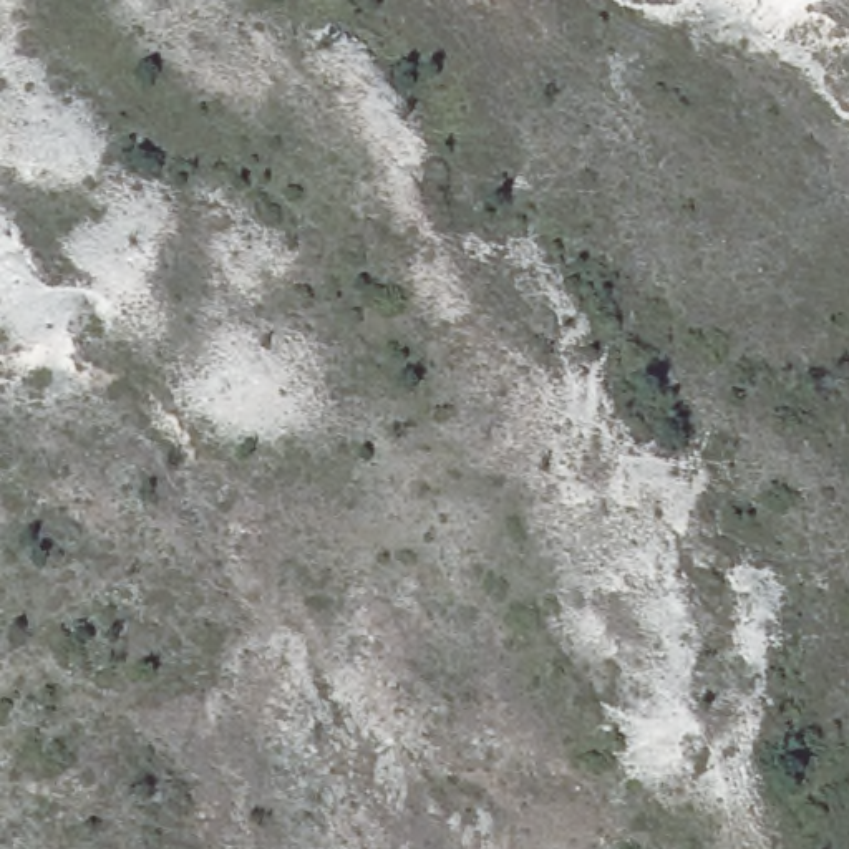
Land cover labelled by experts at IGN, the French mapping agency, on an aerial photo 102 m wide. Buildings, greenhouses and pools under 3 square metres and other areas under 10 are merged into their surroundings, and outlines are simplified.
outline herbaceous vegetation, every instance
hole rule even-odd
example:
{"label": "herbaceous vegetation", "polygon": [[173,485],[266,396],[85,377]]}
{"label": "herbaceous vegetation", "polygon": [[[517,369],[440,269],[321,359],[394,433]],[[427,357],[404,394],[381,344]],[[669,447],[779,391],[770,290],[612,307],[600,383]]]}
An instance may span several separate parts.
{"label": "herbaceous vegetation", "polygon": [[202,849],[196,842],[192,783],[172,766],[172,753],[159,753],[156,746],[143,743],[139,733],[129,726],[129,710],[139,710],[139,686],[129,680],[103,686],[80,673],[76,660],[63,667],[43,643],[0,643],[0,753],[7,750],[13,756],[10,779],[36,779],[36,809],[23,809],[13,822],[0,829],[0,849]]}
{"label": "herbaceous vegetation", "polygon": [[206,438],[202,444],[196,444],[199,458],[226,461],[232,478],[242,478],[255,488],[265,511],[262,524],[275,524],[295,504],[338,514],[342,507],[355,511],[361,504],[365,481],[352,478],[352,468],[361,461],[361,441],[338,441],[325,454],[308,454],[292,434],[285,434],[275,441]]}
{"label": "herbaceous vegetation", "polygon": [[46,285],[70,285],[76,279],[80,269],[63,252],[63,242],[83,222],[103,222],[106,209],[83,199],[73,186],[40,189],[23,179],[0,196],[0,206],[20,226],[20,242],[30,249]]}
{"label": "herbaceous vegetation", "polygon": [[826,70],[829,90],[839,96],[839,109],[849,109],[849,50],[826,46],[813,53],[813,60]]}
{"label": "herbaceous vegetation", "polygon": [[819,0],[822,13],[836,23],[836,36],[849,36],[849,0]]}
{"label": "herbaceous vegetation", "polygon": [[481,235],[484,242],[507,242],[524,235],[534,239],[544,249],[547,265],[560,269],[564,292],[587,315],[590,332],[584,342],[600,361],[607,361],[600,388],[614,401],[614,415],[630,425],[630,438],[637,444],[650,441],[657,448],[657,458],[680,458],[690,448],[690,434],[673,428],[673,395],[663,395],[657,381],[647,375],[650,361],[670,365],[670,381],[680,385],[683,405],[690,405],[693,431],[703,421],[716,428],[703,454],[706,488],[696,497],[693,514],[703,524],[723,524],[723,534],[713,537],[716,554],[726,554],[736,567],[769,567],[783,584],[783,600],[776,614],[779,647],[766,650],[766,693],[773,696],[773,706],[763,710],[763,723],[753,743],[753,769],[763,803],[779,816],[779,832],[793,836],[786,849],[849,849],[849,123],[826,106],[826,99],[813,90],[809,76],[803,76],[799,66],[779,60],[779,53],[753,53],[750,40],[713,40],[693,46],[690,23],[660,23],[643,17],[640,10],[627,10],[617,3],[610,7],[610,20],[600,20],[600,10],[610,0],[242,0],[242,13],[269,10],[275,20],[298,20],[302,30],[332,27],[342,36],[361,43],[371,66],[381,70],[385,83],[398,93],[401,119],[411,109],[418,109],[418,99],[428,99],[431,93],[468,93],[474,113],[491,133],[461,136],[454,139],[454,149],[425,149],[421,179],[415,182],[421,209],[428,212],[431,226],[444,235],[448,262],[458,272],[468,298],[481,305],[484,315],[491,315],[491,328],[501,338],[534,355],[547,371],[557,368],[557,312],[547,298],[521,298],[521,292],[514,289],[517,272],[534,275],[534,269],[514,265],[511,259],[494,252],[488,259],[478,259],[464,249],[468,232]]}
{"label": "herbaceous vegetation", "polygon": [[106,365],[113,378],[113,385],[106,385],[106,398],[113,401],[119,418],[136,428],[153,425],[149,388],[166,381],[166,365],[176,361],[179,345],[199,335],[196,318],[202,312],[202,302],[209,298],[212,239],[232,229],[229,216],[212,219],[212,202],[196,199],[192,186],[226,189],[229,199],[245,202],[255,212],[255,222],[282,232],[292,262],[302,255],[308,265],[325,269],[325,282],[315,285],[315,302],[308,305],[308,312],[322,322],[322,332],[315,335],[315,352],[325,365],[325,391],[332,401],[338,395],[361,395],[368,401],[401,398],[408,405],[408,418],[418,428],[431,421],[451,421],[458,408],[451,401],[441,405],[431,385],[425,378],[415,378],[411,368],[405,368],[405,358],[388,348],[388,338],[398,338],[395,315],[405,315],[415,295],[411,265],[418,229],[408,226],[395,232],[395,226],[388,226],[385,219],[355,216],[355,166],[345,156],[315,146],[308,139],[308,129],[295,126],[295,109],[282,99],[272,99],[265,93],[265,103],[259,109],[235,113],[232,106],[226,106],[219,93],[202,90],[192,73],[182,73],[172,63],[166,63],[156,83],[143,83],[136,76],[136,63],[143,60],[136,43],[143,40],[146,27],[119,27],[106,0],[20,0],[20,7],[13,10],[20,23],[17,53],[43,63],[53,96],[76,93],[80,99],[86,99],[90,113],[106,126],[103,163],[119,163],[133,176],[163,182],[159,196],[176,216],[176,232],[159,239],[156,269],[149,272],[149,289],[156,302],[166,302],[166,335],[143,342],[116,342]]}
{"label": "herbaceous vegetation", "polygon": [[620,667],[607,660],[607,686],[594,690],[594,683],[587,680],[590,663],[560,647],[560,637],[547,627],[547,617],[560,614],[557,560],[541,557],[537,541],[531,541],[527,521],[521,514],[507,514],[507,521],[491,534],[484,560],[464,567],[464,577],[474,577],[497,600],[497,610],[507,623],[504,647],[514,650],[521,660],[514,673],[521,677],[521,683],[531,683],[531,690],[541,690],[541,696],[547,696],[557,726],[567,730],[564,753],[574,766],[574,803],[594,813],[594,832],[607,839],[610,849],[716,849],[723,809],[713,813],[710,803],[686,803],[670,809],[660,806],[653,799],[653,789],[633,779],[620,763],[627,750],[623,730],[600,733],[600,723],[607,716],[604,706],[614,706],[620,696]]}

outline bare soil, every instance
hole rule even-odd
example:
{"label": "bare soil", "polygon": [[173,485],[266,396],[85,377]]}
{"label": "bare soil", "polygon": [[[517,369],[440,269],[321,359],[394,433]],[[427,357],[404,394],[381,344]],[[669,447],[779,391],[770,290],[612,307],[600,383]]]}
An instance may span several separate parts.
{"label": "bare soil", "polygon": [[[166,365],[166,381],[149,388],[153,425],[136,428],[119,418],[113,401],[106,398],[106,385],[113,385],[113,378],[106,365],[116,342],[143,342],[166,335],[166,302],[156,302],[149,289],[149,272],[156,269],[159,239],[176,232],[176,216],[159,196],[163,182],[133,176],[119,163],[103,163],[106,126],[90,113],[86,99],[80,99],[76,93],[53,96],[43,63],[17,53],[20,23],[13,10],[20,7],[20,0],[0,0],[0,196],[23,179],[40,189],[73,186],[83,199],[106,209],[103,222],[83,222],[63,242],[63,252],[80,269],[76,279],[70,285],[46,285],[30,249],[20,242],[20,226],[0,206],[0,444],[13,441],[33,451],[56,451],[70,464],[70,478],[46,481],[36,504],[66,504],[70,517],[86,524],[93,541],[113,541],[116,567],[109,567],[103,577],[96,564],[73,560],[70,594],[83,607],[103,600],[143,617],[146,600],[139,594],[139,584],[126,577],[129,564],[169,560],[172,570],[189,574],[199,560],[226,560],[226,577],[232,580],[239,607],[252,617],[252,633],[222,650],[222,673],[206,700],[179,696],[166,700],[159,710],[139,710],[129,710],[129,726],[139,733],[143,743],[156,746],[159,753],[172,753],[172,766],[192,783],[196,842],[202,849],[610,849],[607,839],[594,832],[594,813],[574,803],[574,766],[564,753],[567,730],[557,726],[547,696],[541,696],[541,690],[531,690],[531,683],[521,683],[521,677],[514,673],[521,660],[514,650],[504,647],[507,623],[497,610],[497,600],[474,577],[464,577],[464,567],[484,560],[491,534],[507,521],[507,514],[521,514],[527,521],[531,541],[537,541],[541,557],[557,560],[560,614],[547,617],[547,627],[560,637],[560,647],[590,663],[587,680],[594,683],[594,690],[607,686],[607,660],[620,667],[620,696],[614,706],[604,706],[607,716],[600,723],[600,733],[623,730],[627,750],[620,763],[633,779],[653,789],[653,799],[660,806],[670,809],[686,803],[710,803],[713,813],[723,809],[716,849],[786,849],[793,836],[779,832],[779,816],[763,803],[753,769],[753,743],[763,723],[763,710],[773,706],[773,696],[766,693],[766,650],[779,647],[776,614],[783,600],[783,584],[769,567],[736,567],[726,554],[716,554],[713,537],[723,534],[723,524],[703,524],[693,514],[696,497],[706,488],[703,454],[716,428],[703,421],[693,431],[690,405],[683,405],[680,385],[670,381],[670,365],[650,361],[647,375],[657,381],[663,395],[673,395],[673,428],[690,434],[690,448],[680,458],[657,458],[657,448],[650,441],[637,444],[630,438],[630,425],[614,415],[614,401],[600,388],[607,361],[600,361],[584,342],[590,332],[587,315],[564,292],[560,269],[547,265],[544,249],[534,239],[524,235],[507,242],[484,242],[481,235],[468,232],[464,249],[478,259],[488,259],[494,252],[511,259],[514,265],[534,269],[534,275],[517,272],[514,289],[521,292],[521,298],[547,298],[557,312],[557,368],[547,371],[534,355],[501,338],[491,328],[491,315],[484,315],[481,305],[468,298],[458,272],[448,262],[444,235],[431,226],[428,212],[421,209],[415,182],[421,179],[425,149],[454,149],[454,139],[461,136],[491,133],[474,113],[468,93],[431,93],[428,99],[418,99],[418,109],[411,109],[401,119],[398,93],[385,83],[381,70],[371,66],[361,43],[342,36],[332,27],[302,30],[298,20],[275,20],[269,10],[242,13],[242,0],[106,0],[119,27],[146,27],[143,40],[136,43],[143,60],[136,63],[136,76],[143,83],[156,83],[166,63],[172,63],[182,73],[192,73],[202,90],[219,93],[226,106],[232,106],[235,113],[259,109],[265,103],[265,93],[272,99],[282,99],[295,109],[295,126],[308,129],[308,139],[315,146],[345,156],[355,166],[355,216],[385,219],[388,226],[395,226],[395,232],[408,226],[418,229],[411,265],[415,295],[405,315],[395,315],[398,338],[388,338],[388,348],[405,358],[405,368],[411,368],[415,378],[425,378],[431,385],[441,405],[451,401],[458,408],[451,421],[431,421],[418,428],[408,418],[408,405],[401,398],[368,401],[361,395],[338,395],[332,401],[325,391],[325,365],[315,352],[315,335],[322,332],[322,322],[308,312],[308,305],[315,302],[315,285],[325,282],[325,269],[308,265],[302,255],[292,262],[282,232],[255,222],[255,212],[245,202],[229,199],[226,189],[192,186],[196,199],[212,202],[212,219],[229,216],[232,229],[212,239],[209,298],[202,302],[202,312],[196,318],[199,335],[179,345],[176,361]],[[338,441],[361,441],[361,461],[352,468],[352,478],[365,481],[361,504],[355,511],[342,507],[338,514],[295,504],[275,524],[262,524],[265,511],[255,488],[242,478],[232,478],[226,461],[199,458],[196,444],[202,444],[206,438],[275,441],[285,434],[292,434],[308,454],[325,454]]]}
{"label": "bare soil", "polygon": [[690,23],[693,46],[713,40],[750,40],[753,53],[779,53],[779,60],[799,66],[803,76],[809,76],[813,90],[826,99],[826,106],[849,123],[849,109],[839,109],[839,96],[829,90],[826,70],[813,60],[813,53],[826,46],[849,50],[849,36],[836,36],[836,23],[822,13],[819,0],[610,0],[600,10],[600,20],[610,20],[610,7],[617,3],[627,10],[640,10],[643,17],[660,23]]}
{"label": "bare soil", "polygon": [[13,756],[7,750],[0,753],[0,829],[13,822],[23,809],[36,809],[36,779],[10,779]]}

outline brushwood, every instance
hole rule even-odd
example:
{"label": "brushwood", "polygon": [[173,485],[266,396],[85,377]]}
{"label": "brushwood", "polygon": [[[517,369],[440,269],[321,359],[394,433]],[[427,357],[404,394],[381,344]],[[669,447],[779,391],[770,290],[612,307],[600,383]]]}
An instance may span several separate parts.
{"label": "brushwood", "polygon": [[139,594],[146,600],[143,617],[103,600],[83,607],[70,594],[73,560],[96,564],[103,577],[109,567],[116,567],[113,541],[93,541],[86,524],[70,517],[66,504],[36,504],[46,481],[70,478],[70,464],[56,451],[33,451],[13,441],[0,444],[0,643],[43,643],[63,667],[76,660],[80,673],[103,686],[129,680],[139,686],[139,710],[159,710],[166,700],[179,696],[206,700],[222,673],[222,650],[252,633],[252,617],[239,607],[232,580],[226,577],[226,560],[199,560],[189,574],[172,570],[169,560],[129,564],[126,577],[139,584]]}

